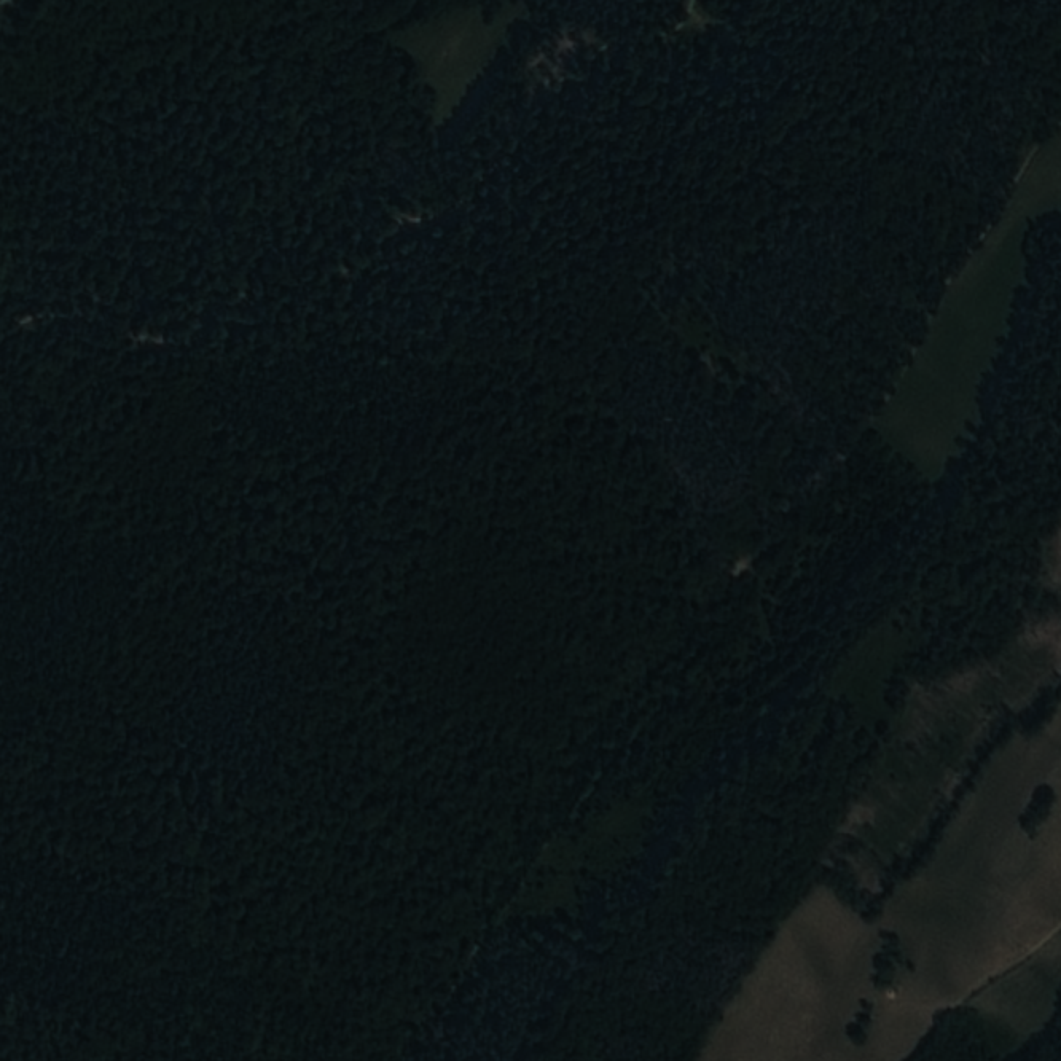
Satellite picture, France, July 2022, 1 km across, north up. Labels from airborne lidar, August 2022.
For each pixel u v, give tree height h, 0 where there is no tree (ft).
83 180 95
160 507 53
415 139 94
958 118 84
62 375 73
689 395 85
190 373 59
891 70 77
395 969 71
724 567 74
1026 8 50
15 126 101
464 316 104
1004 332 0
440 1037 30
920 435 0
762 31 113
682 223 75
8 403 75
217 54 100
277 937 63
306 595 78
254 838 63
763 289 93
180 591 89
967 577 79
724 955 86
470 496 64
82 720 68
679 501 71
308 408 56
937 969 0
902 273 74
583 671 61
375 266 81
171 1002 52
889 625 0
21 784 86
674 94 97
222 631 56
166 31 70
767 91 101
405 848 58
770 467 107
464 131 79
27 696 64
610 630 52
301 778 62
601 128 91
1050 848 0
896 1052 0
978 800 0
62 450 54
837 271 70
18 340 77
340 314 99
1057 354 59
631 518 69
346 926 47
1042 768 0
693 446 84
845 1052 0
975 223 105
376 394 52
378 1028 60
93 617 57
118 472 73
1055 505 89
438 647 66
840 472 60
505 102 76
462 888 73
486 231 105
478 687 52
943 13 87
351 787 71
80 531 61
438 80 0
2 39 86
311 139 102
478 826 63
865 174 54
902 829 0
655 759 59
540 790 69
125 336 42
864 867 0
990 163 81
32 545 65
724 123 111
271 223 23
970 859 0
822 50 90
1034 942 0
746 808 57
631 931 84
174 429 62
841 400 74
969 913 0
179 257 88
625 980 50
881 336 93
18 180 108
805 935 0
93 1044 62
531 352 77
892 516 21
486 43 0
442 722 60
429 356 75
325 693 62
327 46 97
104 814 100
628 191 117
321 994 27
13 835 77
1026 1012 0
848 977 0
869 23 73
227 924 78
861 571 93
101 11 81
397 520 82
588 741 42
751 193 70
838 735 73
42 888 58
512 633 58
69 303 23
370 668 74
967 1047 39
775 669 75
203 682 81
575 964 87
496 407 70
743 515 64
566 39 0
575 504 53
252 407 62
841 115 82
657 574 24
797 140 68
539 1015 65
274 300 96
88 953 59
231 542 85
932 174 72
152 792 94
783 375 89
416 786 70
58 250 59
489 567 62
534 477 69
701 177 74
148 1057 71
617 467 64
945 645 53
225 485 76
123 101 106
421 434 74
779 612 32
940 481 0
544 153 110
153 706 54
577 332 75
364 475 85
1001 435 68
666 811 36
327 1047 67
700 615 68
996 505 60
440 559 58
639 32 106
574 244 105
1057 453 78
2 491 55
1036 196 0
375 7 92
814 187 77
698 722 41
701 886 54
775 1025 0
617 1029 70
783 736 89
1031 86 66
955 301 0
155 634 65
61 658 47
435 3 81
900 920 0
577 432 66
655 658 60
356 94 75
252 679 67
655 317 83
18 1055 74
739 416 93
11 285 99
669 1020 63
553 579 66
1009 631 58
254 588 42
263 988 38
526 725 60
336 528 76
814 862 68
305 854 52
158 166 91
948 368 0
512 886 39
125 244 99
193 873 64
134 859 77
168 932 51
